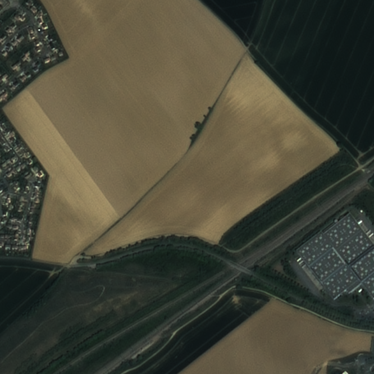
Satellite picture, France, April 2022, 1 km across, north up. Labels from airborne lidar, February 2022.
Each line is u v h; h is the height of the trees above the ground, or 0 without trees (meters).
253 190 0
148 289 0
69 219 0
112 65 0
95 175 0
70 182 0
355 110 0
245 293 0
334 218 10
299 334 0
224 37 0
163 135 0
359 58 0
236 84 0
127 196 0
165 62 0
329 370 0
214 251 8
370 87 0
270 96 0
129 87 0
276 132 0
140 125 0
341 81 0
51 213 0
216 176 0
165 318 8
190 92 0
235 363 0
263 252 0
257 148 0
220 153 0
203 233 0
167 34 0
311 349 0
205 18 0
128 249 7
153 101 0
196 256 13
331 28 0
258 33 0
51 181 0
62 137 0
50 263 0
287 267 9
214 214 0
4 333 0
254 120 0
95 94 0
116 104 0
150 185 0
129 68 0
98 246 0
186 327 0
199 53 0
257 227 7
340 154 0
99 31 0
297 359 0
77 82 0
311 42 0
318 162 0
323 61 0
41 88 0
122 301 0
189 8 0
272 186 0
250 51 0
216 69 0
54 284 7
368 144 0
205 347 0
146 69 0
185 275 0
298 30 0
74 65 0
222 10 0
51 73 0
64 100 0
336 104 0
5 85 0
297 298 0
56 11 0
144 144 0
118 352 0
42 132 0
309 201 0
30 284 0
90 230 0
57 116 0
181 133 0
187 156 0
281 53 0
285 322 0
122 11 0
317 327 0
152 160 0
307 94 0
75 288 0
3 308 0
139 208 0
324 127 0
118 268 0
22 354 0
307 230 0
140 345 0
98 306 0
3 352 0
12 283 0
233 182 0
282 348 0
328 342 0
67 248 0
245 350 0
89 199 0
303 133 0
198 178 0
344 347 0
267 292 0
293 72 0
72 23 0
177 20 0
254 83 0
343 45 0
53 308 0
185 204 0
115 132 0
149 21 0
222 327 0
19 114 0
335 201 0
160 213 0
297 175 0
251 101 0
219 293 0
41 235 0
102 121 0
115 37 0
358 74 0
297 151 0
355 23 0
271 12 0
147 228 0
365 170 0
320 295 0
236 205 0
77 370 0
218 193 0
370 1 0
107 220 0
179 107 0
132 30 0
